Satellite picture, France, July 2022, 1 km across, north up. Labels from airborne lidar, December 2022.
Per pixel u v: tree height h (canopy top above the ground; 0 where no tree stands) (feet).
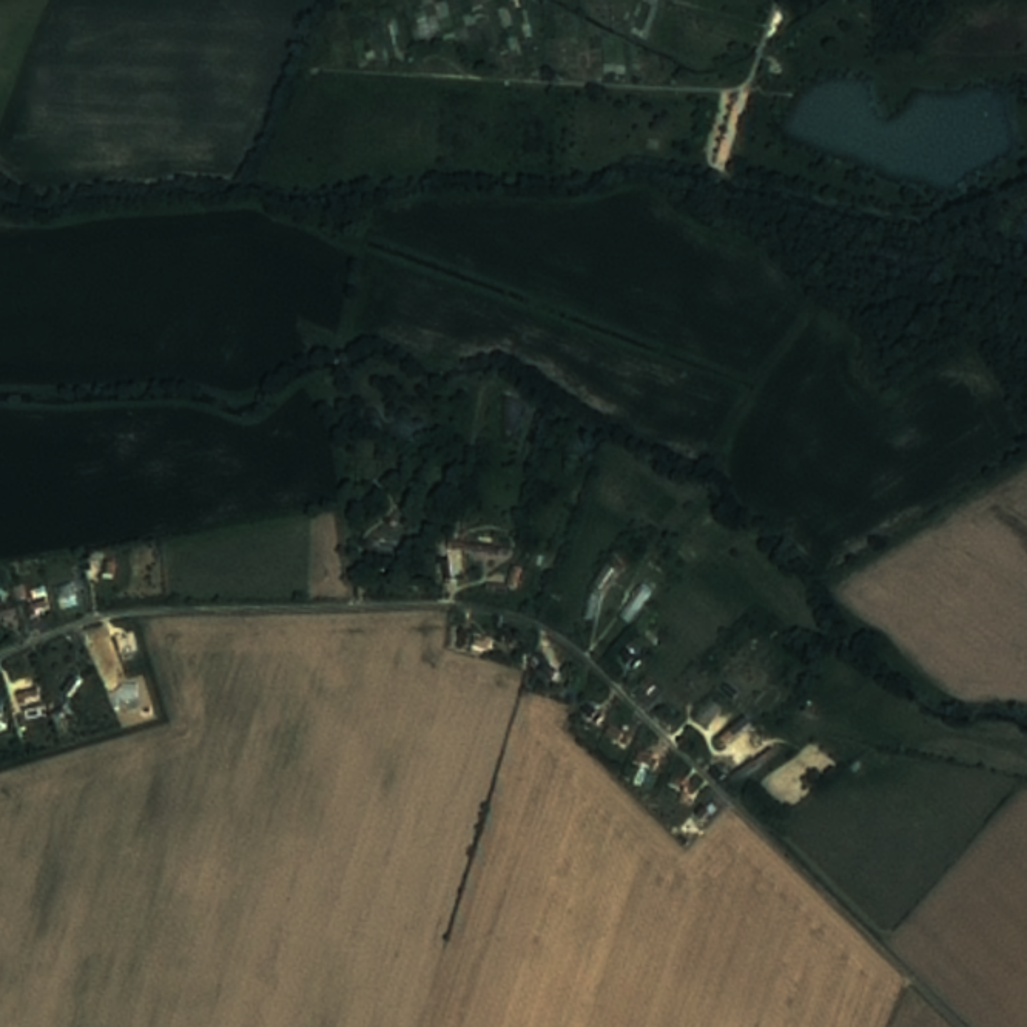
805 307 0
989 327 21
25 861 0
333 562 0
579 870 0
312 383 0
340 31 0
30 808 0
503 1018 0
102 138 0
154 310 0
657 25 0
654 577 0
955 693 0
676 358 0
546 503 23
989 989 0
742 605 0
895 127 0
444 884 0
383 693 0
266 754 0
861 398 0
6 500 0
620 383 0
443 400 31
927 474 0
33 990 0
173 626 0
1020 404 41
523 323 0
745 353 0
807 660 36
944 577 0
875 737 0
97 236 0
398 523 0
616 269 0
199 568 0
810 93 0
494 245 0
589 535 0
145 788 0
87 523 0
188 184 50
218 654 0
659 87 0
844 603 0
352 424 55
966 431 0
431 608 0
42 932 0
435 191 45
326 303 0
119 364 0
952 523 0
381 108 0
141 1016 0
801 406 0
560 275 0
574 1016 0
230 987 0
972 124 0
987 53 0
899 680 47
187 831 0
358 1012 0
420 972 0
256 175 50
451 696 0
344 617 0
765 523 49
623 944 0
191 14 0
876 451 0
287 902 0
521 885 0
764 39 0
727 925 0
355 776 0
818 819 0
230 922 0
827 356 0
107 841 0
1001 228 88
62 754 0
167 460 0
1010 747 0
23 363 0
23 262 0
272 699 0
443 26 0
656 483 0
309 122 0
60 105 0
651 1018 0
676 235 0
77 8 0
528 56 0
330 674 0
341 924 0
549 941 0
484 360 49
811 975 0
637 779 0
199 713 0
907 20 27
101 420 0
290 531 0
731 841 0
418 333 0
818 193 34
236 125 0
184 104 0
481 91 0
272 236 0
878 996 0
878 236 43
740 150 0
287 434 0
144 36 0
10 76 0
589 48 0
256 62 0
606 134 0
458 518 73
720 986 0
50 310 0
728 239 0
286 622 0
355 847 0
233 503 0
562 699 23
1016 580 0
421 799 0
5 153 0
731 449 0
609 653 20
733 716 0
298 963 0
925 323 51
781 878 0
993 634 0
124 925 0
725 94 0
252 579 0
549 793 0
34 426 0
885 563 0
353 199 62
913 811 0
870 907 0
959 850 0
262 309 0
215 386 0
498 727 0
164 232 0
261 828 0
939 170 0
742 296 0
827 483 0
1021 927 0
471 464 43
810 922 0
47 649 24
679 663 0
